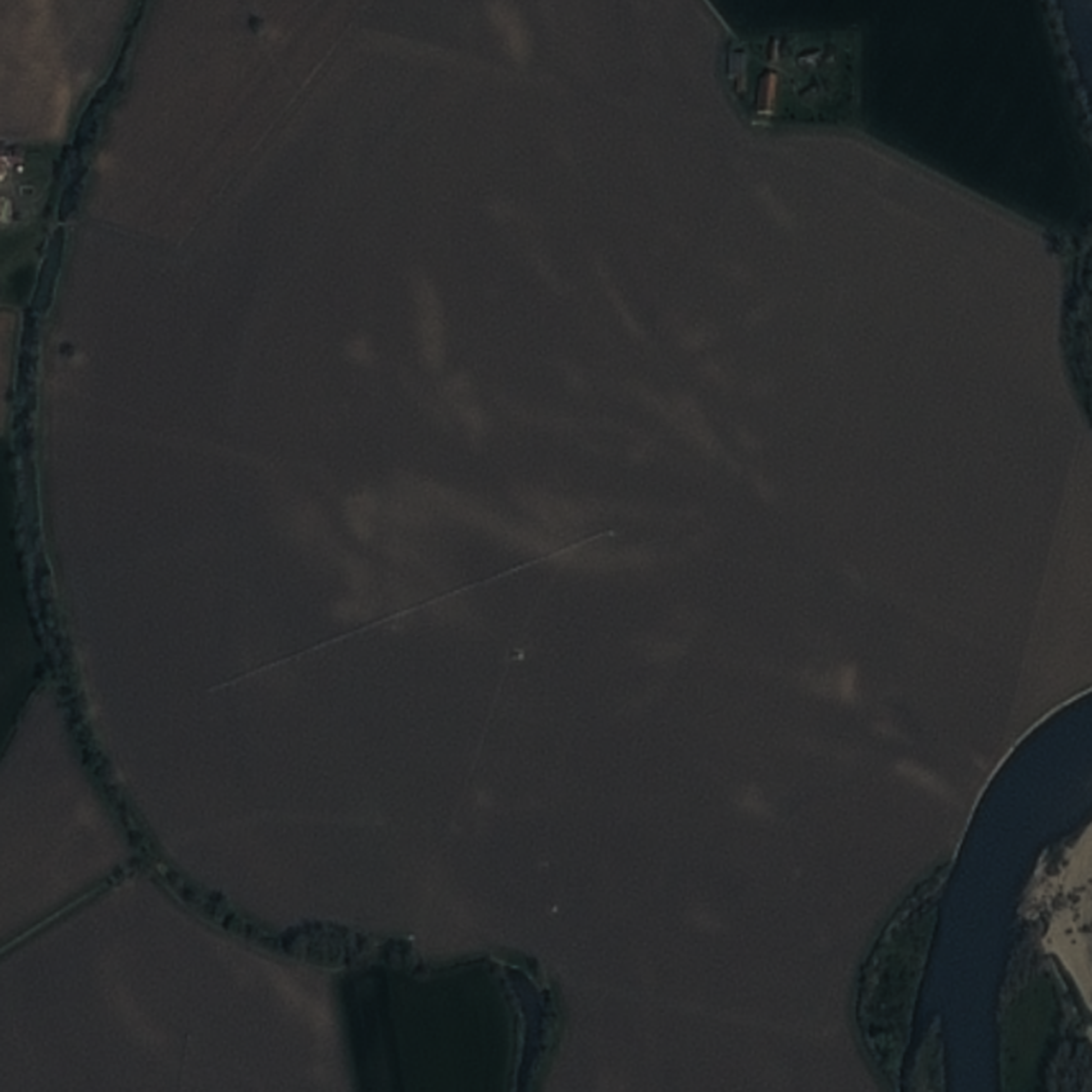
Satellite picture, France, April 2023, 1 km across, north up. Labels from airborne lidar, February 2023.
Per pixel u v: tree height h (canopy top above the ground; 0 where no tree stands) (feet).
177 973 0
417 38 0
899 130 0
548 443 0
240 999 0
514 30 0
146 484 0
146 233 0
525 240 0
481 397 0
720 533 0
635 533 0
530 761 0
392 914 0
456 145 0
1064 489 0
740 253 0
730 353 0
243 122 0
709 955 0
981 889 0
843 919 0
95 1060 0
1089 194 0
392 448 0
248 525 0
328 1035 0
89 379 0
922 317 0
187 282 0
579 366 0
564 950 0
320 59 0
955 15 0
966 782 0
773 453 0
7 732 0
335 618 0
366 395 0
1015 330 0
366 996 0
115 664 0
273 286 0
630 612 0
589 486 0
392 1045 0
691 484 0
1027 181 0
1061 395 0
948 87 0
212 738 0
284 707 0
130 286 0
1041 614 0
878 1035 40
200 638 0
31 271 0
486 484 0
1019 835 0
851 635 0
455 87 0
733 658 0
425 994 0
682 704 0
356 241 0
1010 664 0
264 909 0
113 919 0
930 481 0
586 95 0
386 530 0
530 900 0
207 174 0
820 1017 0
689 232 0
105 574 0
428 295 0
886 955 33
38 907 0
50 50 0
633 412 0
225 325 0
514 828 0
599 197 0
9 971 0
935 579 0
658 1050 0
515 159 0
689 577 0
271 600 0
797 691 0
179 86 0
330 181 0
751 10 0
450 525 0
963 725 0
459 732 0
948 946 0
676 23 0
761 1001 0
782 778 0
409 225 0
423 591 0
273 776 0
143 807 0
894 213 0
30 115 0
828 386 0
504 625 0
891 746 0
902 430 0
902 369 0
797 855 0
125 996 0
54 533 0
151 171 0
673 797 0
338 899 0
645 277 0
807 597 0
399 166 0
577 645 0
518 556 0
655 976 0
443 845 0
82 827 0
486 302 0
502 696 0
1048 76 0
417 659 0
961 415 0
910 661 0
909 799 0
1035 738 0
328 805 0
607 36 0
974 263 0
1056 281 0
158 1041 0
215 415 0
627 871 0
